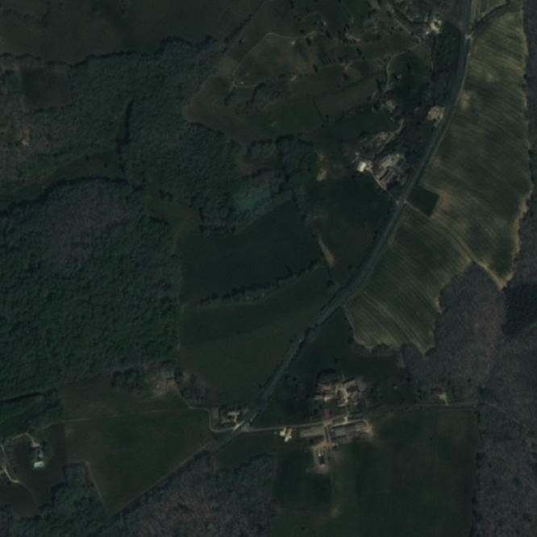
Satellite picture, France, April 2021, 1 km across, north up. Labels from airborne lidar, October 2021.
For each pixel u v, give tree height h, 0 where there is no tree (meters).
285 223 0
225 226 21
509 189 0
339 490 0
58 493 18
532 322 22
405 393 0
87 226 18
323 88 0
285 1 0
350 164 0
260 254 0
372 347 0
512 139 0
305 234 0
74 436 0
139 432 0
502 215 0
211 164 23
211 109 0
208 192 31
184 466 0
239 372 0
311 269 9
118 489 0
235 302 13
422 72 0
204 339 0
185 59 21
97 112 19
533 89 17
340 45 0
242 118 11
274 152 19
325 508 0
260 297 13
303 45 0
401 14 8
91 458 0
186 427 0
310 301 0
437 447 0
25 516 0
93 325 22
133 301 19
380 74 0
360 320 0
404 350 12
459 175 0
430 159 0
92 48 0
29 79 0
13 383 22
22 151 16
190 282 0
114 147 17
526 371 20
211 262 0
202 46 0
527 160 0
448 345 18
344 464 0
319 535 0
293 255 0
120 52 0
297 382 11
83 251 19
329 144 0
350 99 0
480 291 21
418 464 0
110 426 0
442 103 6
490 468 15
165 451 0
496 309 19
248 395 0
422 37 6
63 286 24
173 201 22
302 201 20
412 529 0
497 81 0
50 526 16
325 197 0
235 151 21
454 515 0
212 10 0
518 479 15
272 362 0
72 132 16
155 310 20
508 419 11
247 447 0
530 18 16
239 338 0
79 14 0
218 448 0
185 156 19
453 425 0
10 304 23
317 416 12
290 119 0
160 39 0
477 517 14
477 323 19
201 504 18
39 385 22
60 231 19
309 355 0
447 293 14
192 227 0
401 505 0
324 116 0
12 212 14
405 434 0
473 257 0
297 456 0
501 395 16
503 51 0
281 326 0
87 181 15
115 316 21
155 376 0
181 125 18
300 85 0
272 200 11
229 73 0
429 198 0
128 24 0
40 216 23
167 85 20
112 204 18
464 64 0
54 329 24
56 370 17
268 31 0
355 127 0
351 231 0
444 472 0
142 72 26
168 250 24
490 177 0
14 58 10
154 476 0
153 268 25
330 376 15
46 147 16
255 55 0
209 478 22
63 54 0
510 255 0
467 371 20
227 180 24
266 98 14
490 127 0
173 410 0
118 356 17
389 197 14
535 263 14
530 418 17
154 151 17
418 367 18
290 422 0
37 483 0
